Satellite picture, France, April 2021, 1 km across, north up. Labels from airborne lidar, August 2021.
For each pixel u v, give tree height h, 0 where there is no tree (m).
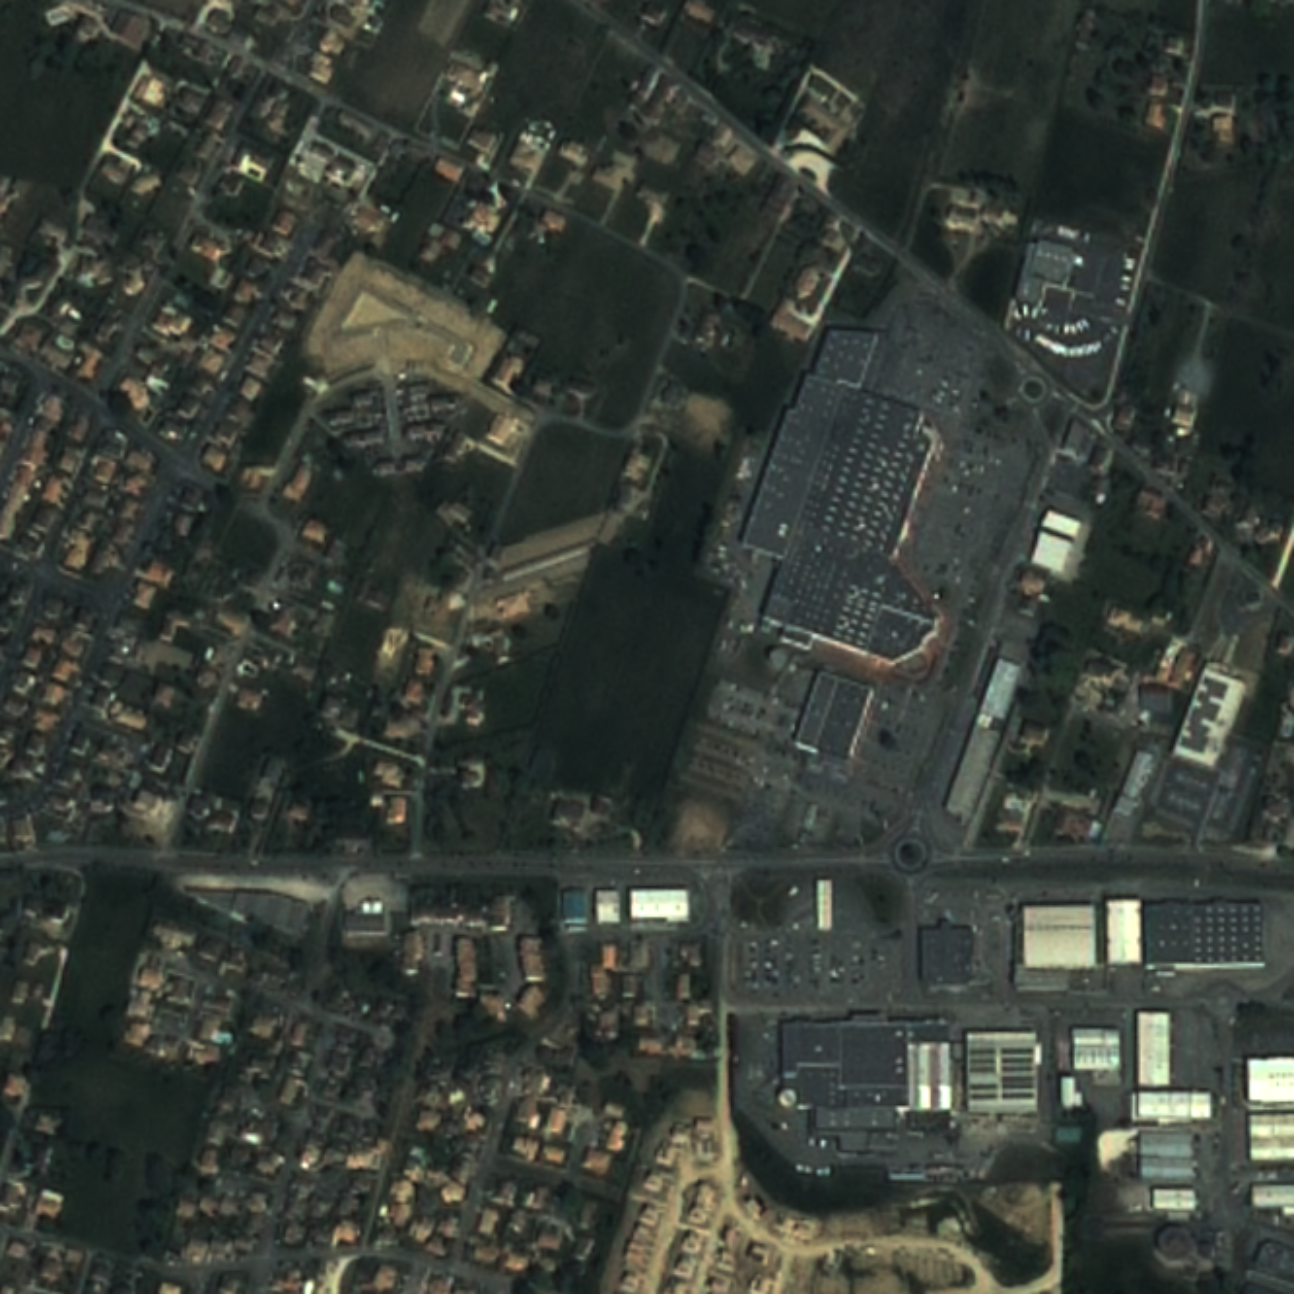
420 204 0
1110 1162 0
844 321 0
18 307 0
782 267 0
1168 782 0
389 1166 0
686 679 0
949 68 0
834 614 0
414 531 0
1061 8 0
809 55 6
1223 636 0
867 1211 0
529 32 0
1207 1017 0
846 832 0
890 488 0
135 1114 0
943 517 0
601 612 0
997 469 0
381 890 0
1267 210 7
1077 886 0
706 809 0
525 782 16
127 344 0
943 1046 0
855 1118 0
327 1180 9
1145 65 12
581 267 0
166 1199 13
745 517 0
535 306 0
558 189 0
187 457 0
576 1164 0
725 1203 0
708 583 0
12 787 5
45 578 0
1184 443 11
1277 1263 0
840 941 0
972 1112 0
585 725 0
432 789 13
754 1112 0
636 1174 0
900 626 0
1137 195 0
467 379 0
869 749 0
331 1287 0
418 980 12
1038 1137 0
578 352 0
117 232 11
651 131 0
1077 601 0
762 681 0
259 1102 0
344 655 0
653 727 0
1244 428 0
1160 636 0
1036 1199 0
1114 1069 0
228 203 9
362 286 0
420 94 0
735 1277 0
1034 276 0
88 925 0
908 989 0
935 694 0
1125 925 0
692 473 0
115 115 7
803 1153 0
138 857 0
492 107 0
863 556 0
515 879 0
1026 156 0
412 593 0
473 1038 10
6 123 0
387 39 0
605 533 0
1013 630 0
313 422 6
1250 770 0
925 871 0
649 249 0
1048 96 0
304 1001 0
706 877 0
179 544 12
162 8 0
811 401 0
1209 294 0
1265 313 0
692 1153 0
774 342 0
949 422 0
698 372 0
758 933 0
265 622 10
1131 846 0
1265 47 0
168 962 0
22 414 6
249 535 0
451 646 0
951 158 0
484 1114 11
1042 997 0
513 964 0
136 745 0
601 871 0
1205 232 0
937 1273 0
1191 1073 0
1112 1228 0
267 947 16
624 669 0
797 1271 0
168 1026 0
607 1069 12
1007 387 0
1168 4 0
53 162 0
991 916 0
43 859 0
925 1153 0
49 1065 8
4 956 7
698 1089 0
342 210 0
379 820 6
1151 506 0
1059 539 0
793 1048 0
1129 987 0
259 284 8
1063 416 0
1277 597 0
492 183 11
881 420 0
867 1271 0
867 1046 0
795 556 0
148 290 0
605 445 0
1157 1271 0
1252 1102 0
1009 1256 0
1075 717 0
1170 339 0
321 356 0
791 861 0
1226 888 0
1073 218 0
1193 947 0
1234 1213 0
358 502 0
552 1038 0
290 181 0
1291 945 0
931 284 0
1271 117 17
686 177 0
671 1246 0
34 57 7
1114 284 0
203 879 0
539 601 0
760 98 7
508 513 0
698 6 0
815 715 0
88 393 0
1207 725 0
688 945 0
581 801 0
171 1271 0
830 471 0
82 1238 0
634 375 0
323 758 0
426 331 0
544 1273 17
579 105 0
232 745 0
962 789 0
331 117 6
